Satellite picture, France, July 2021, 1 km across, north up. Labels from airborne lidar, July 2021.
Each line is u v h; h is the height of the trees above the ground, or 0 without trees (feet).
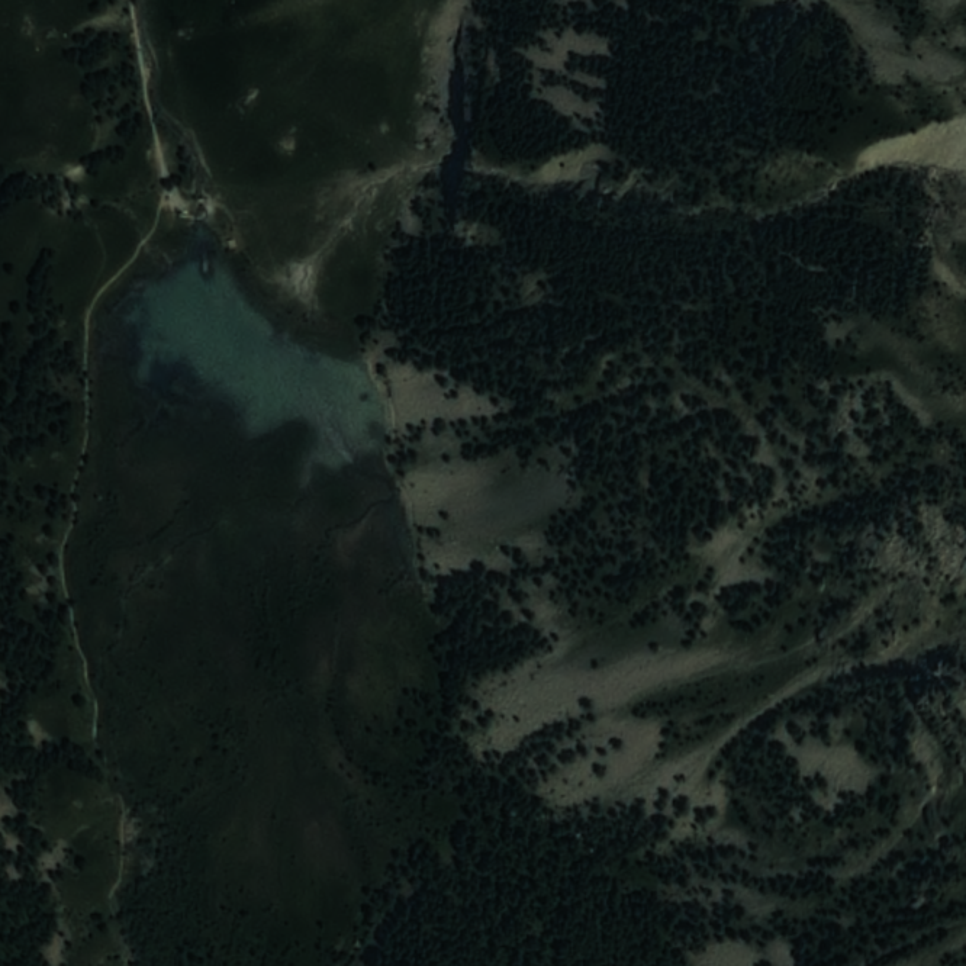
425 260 46
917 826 0
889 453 59
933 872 31
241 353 0
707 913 49
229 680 0
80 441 0
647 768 0
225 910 27
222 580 0
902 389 0
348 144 0
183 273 0
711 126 38
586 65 51
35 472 0
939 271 0
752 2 0
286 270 0
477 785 72
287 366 0
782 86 39
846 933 60
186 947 25
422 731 19
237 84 0
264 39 0
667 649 0
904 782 0
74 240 0
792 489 31
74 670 0
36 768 46
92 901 0
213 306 0
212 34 0
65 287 0
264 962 30
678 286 25
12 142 0
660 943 69
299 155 0
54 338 73
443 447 0
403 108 0
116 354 0
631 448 46
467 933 72
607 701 0
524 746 26
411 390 0
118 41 38
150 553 0
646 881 0
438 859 63
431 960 74
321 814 0
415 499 0
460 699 59
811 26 56
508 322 49
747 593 66
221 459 0
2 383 41
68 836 0
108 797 0
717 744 0
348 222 0
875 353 0
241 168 0
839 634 0
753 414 0
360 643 0
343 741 25
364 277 0
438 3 0
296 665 0
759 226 52
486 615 74
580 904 74
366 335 29
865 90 27
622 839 64
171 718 0
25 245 0
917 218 23
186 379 0
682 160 26
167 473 0
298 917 0
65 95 0
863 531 26
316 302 0
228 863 0
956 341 0
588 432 44
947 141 0
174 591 0
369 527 0
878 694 42
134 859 0
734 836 0
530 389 51
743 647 0
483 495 0
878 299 30
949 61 0
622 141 46
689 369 37
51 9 0
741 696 0
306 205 0
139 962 30
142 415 0
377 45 0
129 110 54
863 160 0
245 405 0
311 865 0
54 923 54
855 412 30
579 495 0
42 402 83
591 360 50
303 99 0
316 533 0
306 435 0
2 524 0
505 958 23
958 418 0
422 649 0
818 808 55
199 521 0
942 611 0
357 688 0
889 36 0
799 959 62
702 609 52
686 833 0
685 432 57
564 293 56
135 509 0
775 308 39
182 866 22
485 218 35
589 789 0
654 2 54
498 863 59
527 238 30
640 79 45
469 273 25
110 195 0
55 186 45
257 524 0
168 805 26
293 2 0
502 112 39
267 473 0
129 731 0
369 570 0
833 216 22
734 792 33
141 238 0
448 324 47
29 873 49
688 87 30
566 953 64
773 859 0
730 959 0
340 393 0
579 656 0
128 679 21
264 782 0
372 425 0
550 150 37
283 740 0
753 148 31
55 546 0
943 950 0
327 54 0
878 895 21
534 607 0
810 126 32
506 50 49
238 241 0
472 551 0
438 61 0
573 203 24
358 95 0
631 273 24
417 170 0
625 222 21
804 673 0
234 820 0
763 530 0
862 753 55
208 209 0
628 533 29
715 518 54
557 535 48
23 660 67
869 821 0
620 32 40
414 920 72
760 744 59
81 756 59
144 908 28
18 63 0
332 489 0
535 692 0
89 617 0
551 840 30
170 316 0
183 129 0
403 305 28
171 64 0
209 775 0
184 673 0
